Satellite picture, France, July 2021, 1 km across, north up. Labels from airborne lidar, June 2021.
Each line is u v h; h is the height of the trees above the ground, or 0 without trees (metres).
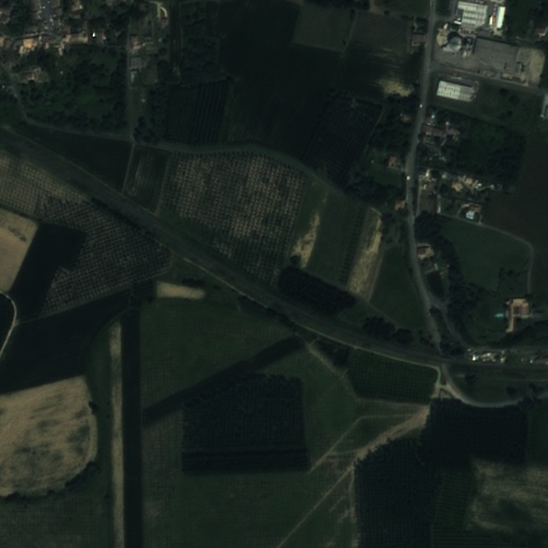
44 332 0
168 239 0
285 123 0
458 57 0
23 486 0
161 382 0
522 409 18
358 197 27
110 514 0
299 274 22
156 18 0
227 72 0
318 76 0
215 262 0
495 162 14
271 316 16
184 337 0
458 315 6
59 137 0
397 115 6
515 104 6
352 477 0
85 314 0
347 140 17
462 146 8
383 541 20
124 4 8
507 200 0
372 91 0
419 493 24
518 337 13
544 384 0
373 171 0
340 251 0
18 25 5
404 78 0
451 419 26
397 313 0
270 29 0
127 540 0
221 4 0
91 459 0
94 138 0
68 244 0
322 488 0
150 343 0
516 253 0
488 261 0
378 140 8
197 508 0
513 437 27
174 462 0
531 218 0
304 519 0
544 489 0
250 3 0
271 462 20
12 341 0
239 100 0
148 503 0
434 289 0
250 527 0
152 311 0
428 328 0
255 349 0
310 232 0
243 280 0
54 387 0
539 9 6
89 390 0
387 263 0
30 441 0
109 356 0
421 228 18
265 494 0
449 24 8
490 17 0
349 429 0
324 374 0
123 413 0
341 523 0
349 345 0
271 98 0
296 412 20
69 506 0
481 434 27
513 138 10
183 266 0
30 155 0
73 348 0
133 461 0
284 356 0
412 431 0
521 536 0
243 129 0
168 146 0
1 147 0
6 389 0
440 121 8
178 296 0
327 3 16
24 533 0
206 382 0
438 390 0
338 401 0
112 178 0
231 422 21
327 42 0
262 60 0
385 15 8
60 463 0
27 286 0
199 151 0
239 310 0
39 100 15
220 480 0
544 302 0
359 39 0
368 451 0
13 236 0
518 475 0
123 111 11
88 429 0
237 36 0
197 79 8
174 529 0
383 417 0
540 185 0
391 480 24
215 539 0
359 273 0
